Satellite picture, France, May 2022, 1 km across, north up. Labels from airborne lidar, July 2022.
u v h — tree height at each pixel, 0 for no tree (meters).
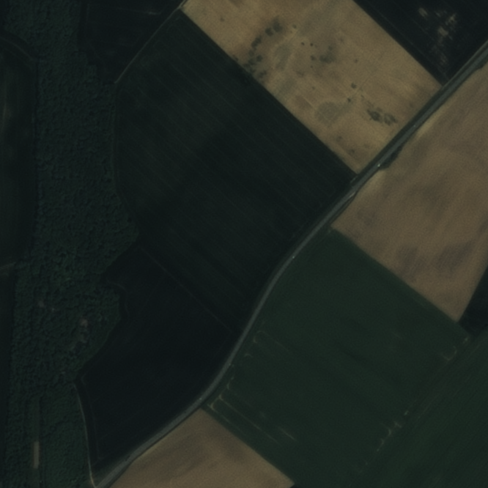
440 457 0
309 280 0
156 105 0
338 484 0
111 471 0
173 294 0
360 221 0
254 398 0
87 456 12
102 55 0
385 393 0
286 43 0
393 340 0
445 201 0
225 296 0
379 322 0
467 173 0
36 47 17
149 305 0
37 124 12
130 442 0
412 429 0
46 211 21
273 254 0
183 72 0
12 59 0
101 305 19
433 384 0
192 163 0
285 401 0
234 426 0
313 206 0
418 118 0
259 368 0
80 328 17
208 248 0
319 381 0
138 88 0
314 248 0
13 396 17
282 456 0
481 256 0
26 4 16
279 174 0
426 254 0
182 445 0
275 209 0
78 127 20
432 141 0
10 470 10
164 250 0
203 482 0
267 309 0
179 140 0
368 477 0
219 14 0
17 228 0
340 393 0
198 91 0
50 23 17
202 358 0
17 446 11
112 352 0
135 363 0
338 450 0
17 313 18
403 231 0
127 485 0
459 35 0
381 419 0
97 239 19
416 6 0
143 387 0
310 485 0
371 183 0
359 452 0
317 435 0
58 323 16
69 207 14
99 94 22
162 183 0
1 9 0
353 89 0
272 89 0
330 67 0
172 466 0
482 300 0
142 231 0
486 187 0
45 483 6
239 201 0
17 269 11
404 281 0
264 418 0
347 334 0
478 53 0
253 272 0
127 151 0
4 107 0
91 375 0
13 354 13
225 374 0
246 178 0
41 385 16
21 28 17
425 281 0
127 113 0
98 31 0
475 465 0
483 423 0
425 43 0
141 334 0
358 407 0
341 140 0
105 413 0
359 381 0
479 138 0
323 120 0
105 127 21
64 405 7
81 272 19
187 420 0
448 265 0
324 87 0
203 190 0
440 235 0
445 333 0
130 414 0
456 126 0
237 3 0
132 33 0
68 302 24
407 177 0
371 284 0
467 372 0
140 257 0
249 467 0
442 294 0
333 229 0
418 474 0
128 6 0
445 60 0
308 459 0
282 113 0
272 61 0
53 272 16
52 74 19
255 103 0
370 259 0
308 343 0
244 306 0
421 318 0
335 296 0
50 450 7
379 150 0
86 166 22
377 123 0
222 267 0
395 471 0
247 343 0
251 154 0
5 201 0
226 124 0
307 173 0
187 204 0
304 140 0
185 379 0
